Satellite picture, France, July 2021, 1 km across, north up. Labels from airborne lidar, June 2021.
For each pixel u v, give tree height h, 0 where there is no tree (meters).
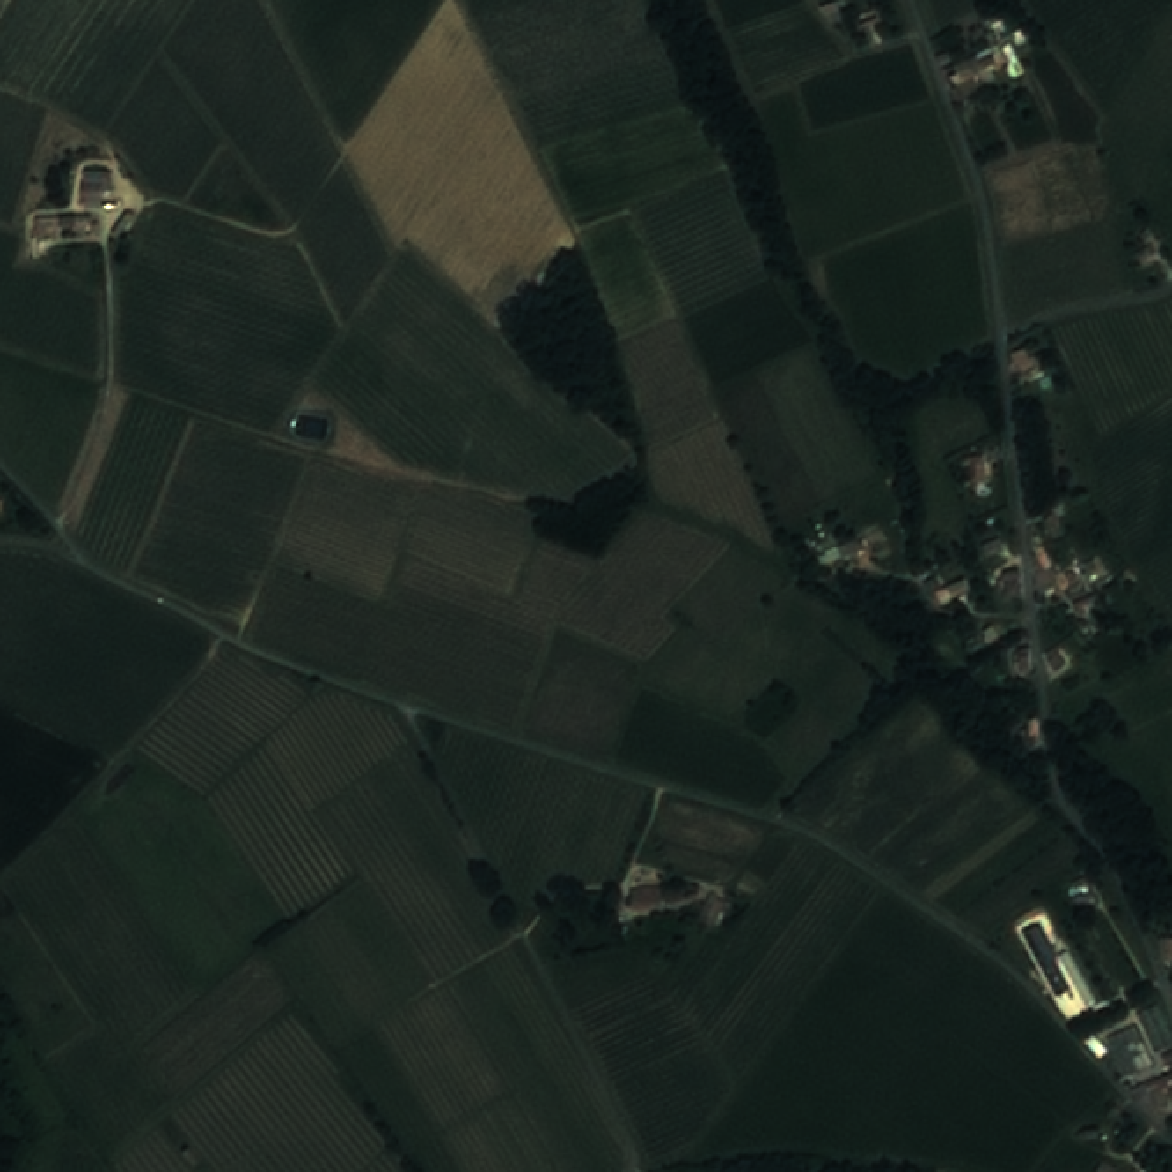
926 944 0
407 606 0
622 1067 0
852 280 0
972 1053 0
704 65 19
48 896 0
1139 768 0
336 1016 0
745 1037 0
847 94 0
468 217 0
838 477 0
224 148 0
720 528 0
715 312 0
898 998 0
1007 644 10
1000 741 11
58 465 0
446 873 0
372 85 0
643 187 0
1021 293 0
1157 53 0
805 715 0
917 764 0
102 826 0
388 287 0
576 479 0
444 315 0
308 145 0
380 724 0
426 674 0
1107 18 0
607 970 0
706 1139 0
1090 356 0
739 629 0
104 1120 0
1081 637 8
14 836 0
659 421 0
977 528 7
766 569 0
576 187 0
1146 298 0
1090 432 0
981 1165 0
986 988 0
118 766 0
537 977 0
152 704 0
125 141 0
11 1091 8
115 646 0
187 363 0
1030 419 23
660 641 0
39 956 0
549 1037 0
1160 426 0
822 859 0
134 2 0
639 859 0
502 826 0
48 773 0
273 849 0
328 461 0
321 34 0
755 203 18
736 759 0
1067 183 0
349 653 0
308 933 0
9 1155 8
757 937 0
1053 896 0
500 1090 0
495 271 0
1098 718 18
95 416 0
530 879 0
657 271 0
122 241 6
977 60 0
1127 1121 11
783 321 0
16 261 0
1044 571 0
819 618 0
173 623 0
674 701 0
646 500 10
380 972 0
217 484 0
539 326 27
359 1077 0
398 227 0
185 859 0
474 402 0
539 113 0
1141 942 0
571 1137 0
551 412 0
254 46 0
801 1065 0
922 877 0
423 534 0
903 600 18
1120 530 0
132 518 0
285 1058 0
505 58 0
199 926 0
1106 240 0
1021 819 0
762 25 0
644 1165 0
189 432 0
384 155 0
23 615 0
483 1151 0
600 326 21
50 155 0
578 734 0
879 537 0
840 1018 0
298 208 0
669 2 8
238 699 0
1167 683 0
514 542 0
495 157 0
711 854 0
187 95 0
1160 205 0
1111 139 0
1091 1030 15
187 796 0
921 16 0
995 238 0
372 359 0
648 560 0
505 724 0
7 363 0
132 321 0
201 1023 0
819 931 0
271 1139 0
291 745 0
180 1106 0
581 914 30
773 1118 0
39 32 0
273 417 0
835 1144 0
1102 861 15
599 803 0
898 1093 0
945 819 0
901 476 15
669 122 0
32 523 8
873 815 0
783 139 0
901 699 21
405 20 0
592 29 0
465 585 0
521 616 0
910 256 0
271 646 0
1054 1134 0
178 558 0
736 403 0
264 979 0
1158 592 0
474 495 0
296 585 0
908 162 0
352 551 0
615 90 0
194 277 0
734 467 0
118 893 0
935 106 0
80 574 0
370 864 0
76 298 0
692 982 0
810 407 0
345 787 0
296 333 0
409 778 0
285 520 0
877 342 0
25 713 0
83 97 0
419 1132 0
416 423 0
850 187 0
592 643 0
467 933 0
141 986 0
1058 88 0
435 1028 0
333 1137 0
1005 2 16
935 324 0
